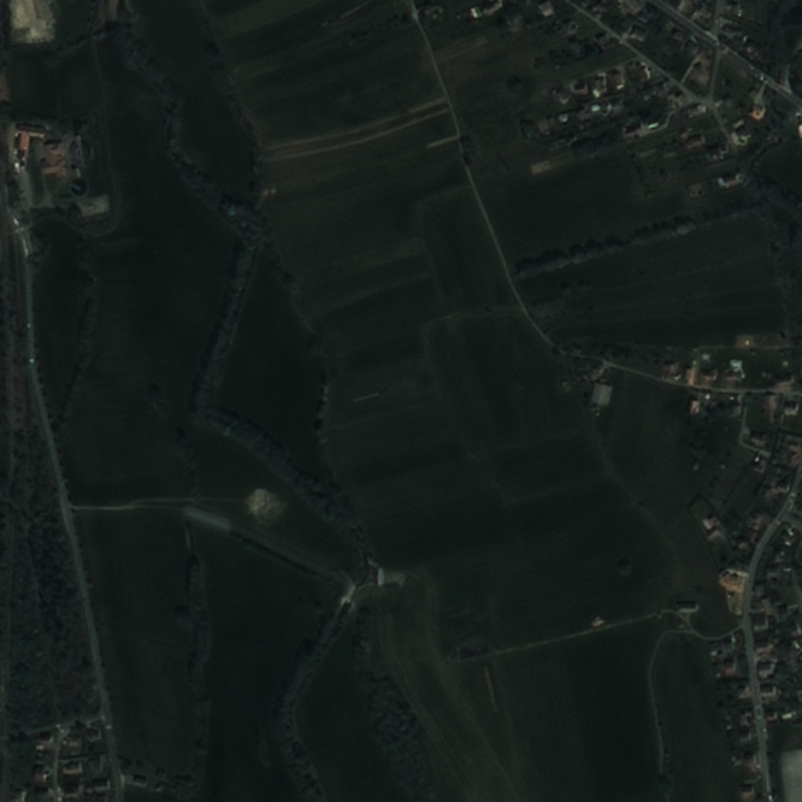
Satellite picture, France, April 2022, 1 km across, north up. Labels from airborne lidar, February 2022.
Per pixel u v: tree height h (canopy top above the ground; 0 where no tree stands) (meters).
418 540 0
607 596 0
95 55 0
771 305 0
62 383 0
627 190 0
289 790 0
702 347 0
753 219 0
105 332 0
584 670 0
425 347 0
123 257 0
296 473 14
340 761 0
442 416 0
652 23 11
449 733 0
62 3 0
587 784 0
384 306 0
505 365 0
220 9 0
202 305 0
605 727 0
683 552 0
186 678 0
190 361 0
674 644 0
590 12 8
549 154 0
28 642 23
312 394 0
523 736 0
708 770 0
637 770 0
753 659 0
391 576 0
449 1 0
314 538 0
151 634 0
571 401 0
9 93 0
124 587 0
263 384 0
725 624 0
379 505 0
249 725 0
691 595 0
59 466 0
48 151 0
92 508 0
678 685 0
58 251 0
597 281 0
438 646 0
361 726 0
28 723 24
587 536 0
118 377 0
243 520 0
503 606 0
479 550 0
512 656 0
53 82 0
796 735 0
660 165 0
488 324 0
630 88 0
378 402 0
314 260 0
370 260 0
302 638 0
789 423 0
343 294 0
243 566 0
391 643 0
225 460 0
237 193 0
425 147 0
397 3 0
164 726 0
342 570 0
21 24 0
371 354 0
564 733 0
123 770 0
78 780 0
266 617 0
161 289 0
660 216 0
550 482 0
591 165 0
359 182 0
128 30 22
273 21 0
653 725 0
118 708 0
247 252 23
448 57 0
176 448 0
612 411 0
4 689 0
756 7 0
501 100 0
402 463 0
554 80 0
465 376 0
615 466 0
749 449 0
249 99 0
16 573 11
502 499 0
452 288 0
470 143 7
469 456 0
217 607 0
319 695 0
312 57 0
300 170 0
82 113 0
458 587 0
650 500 0
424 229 0
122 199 0
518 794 0
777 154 0
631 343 0
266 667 0
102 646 0
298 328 0
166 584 0
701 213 0
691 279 0
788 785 0
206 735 9
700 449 13
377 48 0
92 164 0
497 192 0
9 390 0
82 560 0
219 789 0
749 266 0
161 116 0
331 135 0
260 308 0
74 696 22
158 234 0
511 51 0
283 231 0
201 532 0
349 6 0
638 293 0
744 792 0
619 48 0
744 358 0
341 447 0
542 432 0
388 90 0
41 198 0
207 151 0
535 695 0
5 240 0
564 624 0
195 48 0
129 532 0
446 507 0
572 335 0
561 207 0
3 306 14
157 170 0
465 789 0
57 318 0
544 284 0
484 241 0
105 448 0
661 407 0
